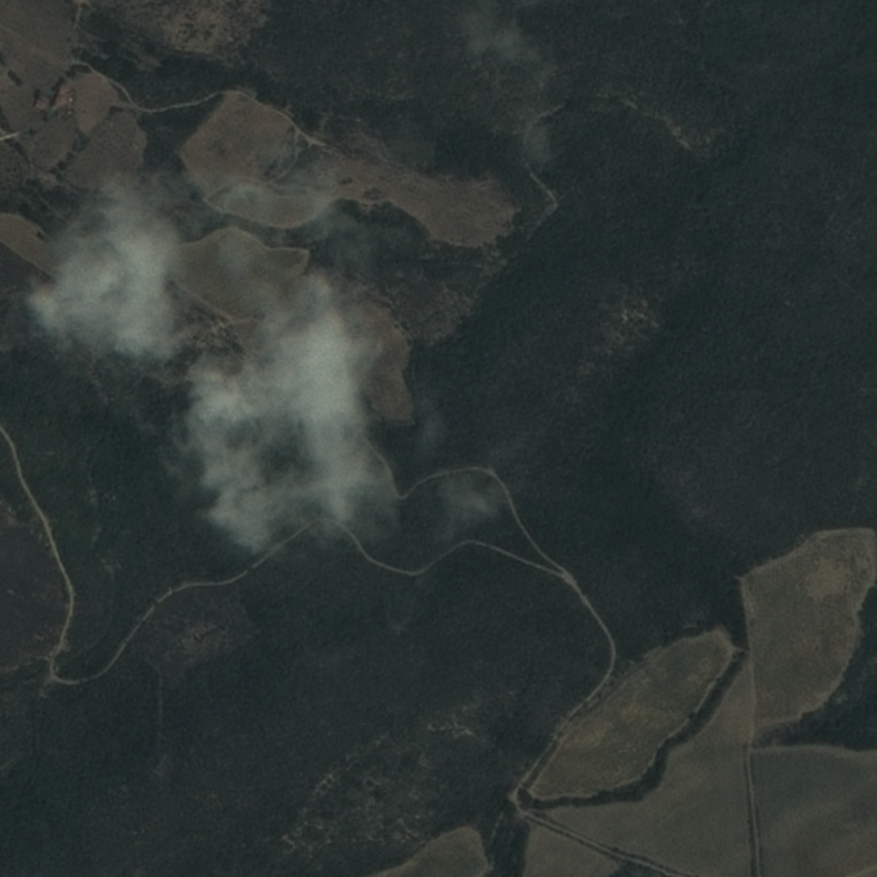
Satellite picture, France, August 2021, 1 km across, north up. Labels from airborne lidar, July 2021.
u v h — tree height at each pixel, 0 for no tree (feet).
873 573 0
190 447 25
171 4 0
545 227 24
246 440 27
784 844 0
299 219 0
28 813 27
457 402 25
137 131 0
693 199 39
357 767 22
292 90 22
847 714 21
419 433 30
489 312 24
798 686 0
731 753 0
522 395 19
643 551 20
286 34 17
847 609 0
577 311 21
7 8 0
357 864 19
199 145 0
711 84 18
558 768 0
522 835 28
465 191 0
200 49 0
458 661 17
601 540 23
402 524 29
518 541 19
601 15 21
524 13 18
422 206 0
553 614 18
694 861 0
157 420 23
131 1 0
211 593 0
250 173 0
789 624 0
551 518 23
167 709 20
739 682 0
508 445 19
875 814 0
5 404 28
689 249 18
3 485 22
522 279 26
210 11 0
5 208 20
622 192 17
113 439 21
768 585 0
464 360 30
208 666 19
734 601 36
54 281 0
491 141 29
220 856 21
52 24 0
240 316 0
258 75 18
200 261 0
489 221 0
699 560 38
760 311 20
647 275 22
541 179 20
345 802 26
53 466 25
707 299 30
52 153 0
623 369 20
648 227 20
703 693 0
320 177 0
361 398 36
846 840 0
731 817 0
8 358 22
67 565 19
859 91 21
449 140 29
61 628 0
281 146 0
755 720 0
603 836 0
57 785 19
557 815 0
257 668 19
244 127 0
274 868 23
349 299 0
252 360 0
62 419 29
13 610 0
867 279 22
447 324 0
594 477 30
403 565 18
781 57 17
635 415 38
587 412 23
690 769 0
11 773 22
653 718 0
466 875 0
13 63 0
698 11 52
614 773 0
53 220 17
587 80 19
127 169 0
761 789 0
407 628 19
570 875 0
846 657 0
